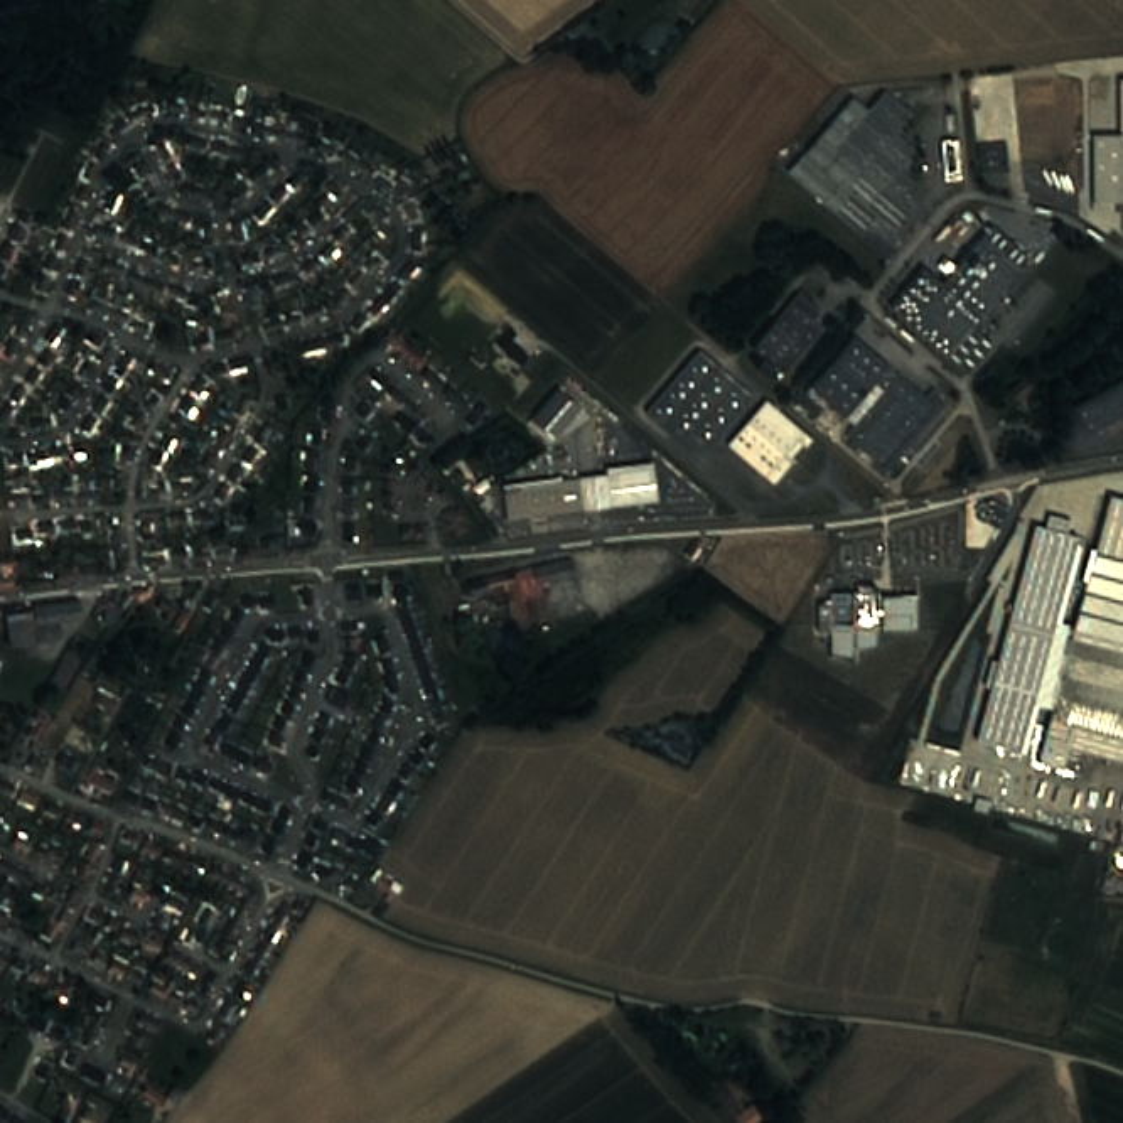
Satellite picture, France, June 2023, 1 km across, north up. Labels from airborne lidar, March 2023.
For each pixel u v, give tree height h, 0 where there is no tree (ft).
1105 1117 0
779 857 0
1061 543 0
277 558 0
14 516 0
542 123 0
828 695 0
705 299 32
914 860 0
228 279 0
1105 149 0
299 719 0
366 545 0
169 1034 0
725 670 0
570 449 0
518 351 30
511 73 0
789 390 23
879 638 0
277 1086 0
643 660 0
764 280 51
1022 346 0
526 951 0
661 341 0
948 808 0
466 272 0
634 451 0
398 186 0
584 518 0
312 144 25
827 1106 0
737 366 0
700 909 0
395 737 0
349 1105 0
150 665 32
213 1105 0
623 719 0
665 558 0
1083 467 0
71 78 74
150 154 0
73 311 0
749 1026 0
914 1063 0
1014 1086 0
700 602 25
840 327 32
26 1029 0
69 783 0
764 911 0
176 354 0
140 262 0
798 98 0
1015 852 0
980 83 0
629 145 0
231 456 0
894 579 0
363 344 19
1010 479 0
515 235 0
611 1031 0
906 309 0
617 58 40
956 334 0
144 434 0
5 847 0
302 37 0
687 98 0
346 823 0
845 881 0
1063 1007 0
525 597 0
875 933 0
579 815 0
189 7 0
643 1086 0
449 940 0
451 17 0
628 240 0
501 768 0
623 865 0
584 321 0
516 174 0
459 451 37
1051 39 0
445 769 0
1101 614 0
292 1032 0
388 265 0
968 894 0
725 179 0
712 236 0
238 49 0
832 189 0
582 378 0
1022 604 0
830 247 50
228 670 0
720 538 0
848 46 0
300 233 0
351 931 0
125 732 33
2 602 0
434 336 0
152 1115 0
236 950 0
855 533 0
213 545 25
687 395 0
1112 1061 0
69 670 0
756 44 0
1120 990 0
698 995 0
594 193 0
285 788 0
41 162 0
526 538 0
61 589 0
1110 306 49
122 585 0
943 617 0
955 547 0
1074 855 0
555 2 0
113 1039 0
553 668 30
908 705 0
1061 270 0
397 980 0
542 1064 0
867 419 0
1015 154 0
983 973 0
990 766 0
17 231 0
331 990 0
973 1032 0
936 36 0
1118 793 0
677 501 0
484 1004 0
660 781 0
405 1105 0
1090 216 0
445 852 0
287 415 0
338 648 0
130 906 0
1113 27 0
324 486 0
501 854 0
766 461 0
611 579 0
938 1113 0
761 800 0
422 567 0
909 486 0
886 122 0
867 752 0
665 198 0
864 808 0
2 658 0
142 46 0
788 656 0
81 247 0
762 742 0
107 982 0
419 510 0
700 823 0
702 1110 0
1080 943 0
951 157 0
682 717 31
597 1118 0
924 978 0
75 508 0
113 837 0
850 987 0
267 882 0
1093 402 0
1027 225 0
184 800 0
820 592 0
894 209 0
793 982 0
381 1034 0
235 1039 0
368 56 0
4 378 0
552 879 0
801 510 0
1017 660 0
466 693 0
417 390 0
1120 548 0
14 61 100
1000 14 0
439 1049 0
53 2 91
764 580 0
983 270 0
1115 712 0
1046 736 0
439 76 0
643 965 0
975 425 0
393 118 0
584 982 0
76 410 0
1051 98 0
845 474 0
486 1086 0
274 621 0
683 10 0
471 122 0
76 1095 0
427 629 0
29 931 22
